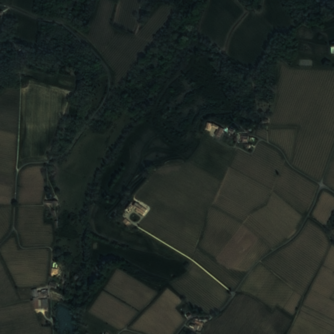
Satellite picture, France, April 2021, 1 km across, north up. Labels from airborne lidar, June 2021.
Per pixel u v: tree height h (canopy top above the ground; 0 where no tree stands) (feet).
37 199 0
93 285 73
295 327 0
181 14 87
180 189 0
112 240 0
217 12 0
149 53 75
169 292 0
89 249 60
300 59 0
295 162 0
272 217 0
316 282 0
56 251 35
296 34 22
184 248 0
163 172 0
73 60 28
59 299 0
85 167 0
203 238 0
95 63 35
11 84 54
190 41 99
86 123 87
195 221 0
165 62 72
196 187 0
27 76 22
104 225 0
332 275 0
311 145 0
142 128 0
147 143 0
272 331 0
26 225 0
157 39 67
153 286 0
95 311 0
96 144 0
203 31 0
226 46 0
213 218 0
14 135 0
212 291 0
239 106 28
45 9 44
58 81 0
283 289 0
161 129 0
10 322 0
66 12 41
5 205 0
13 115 0
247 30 0
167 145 0
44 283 0
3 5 0
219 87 35
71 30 0
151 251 0
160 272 0
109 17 0
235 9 0
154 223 0
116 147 52
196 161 0
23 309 0
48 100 0
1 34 71
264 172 0
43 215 0
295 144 0
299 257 0
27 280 0
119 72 0
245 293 0
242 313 0
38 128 0
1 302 0
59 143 53
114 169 0
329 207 0
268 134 0
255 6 56
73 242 0
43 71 21
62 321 0
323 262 0
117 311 0
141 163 0
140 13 20
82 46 50
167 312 0
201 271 0
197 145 0
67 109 0
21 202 0
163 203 0
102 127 52
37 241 0
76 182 0
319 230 0
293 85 0
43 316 0
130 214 0
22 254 0
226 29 0
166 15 0
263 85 55
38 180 0
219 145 0
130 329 0
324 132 0
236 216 0
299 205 0
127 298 0
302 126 0
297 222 0
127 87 32
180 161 0
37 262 0
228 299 0
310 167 0
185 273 0
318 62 0
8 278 0
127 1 0
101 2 0
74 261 33
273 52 69
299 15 43
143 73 66
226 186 0
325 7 110
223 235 0
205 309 0
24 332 0
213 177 0
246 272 0
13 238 0
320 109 0
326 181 0
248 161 0
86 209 48
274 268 0
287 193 0
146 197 0
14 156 0
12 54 65
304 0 29
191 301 0
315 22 83
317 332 0
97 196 65
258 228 0
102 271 59
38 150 0
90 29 37
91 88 56
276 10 0
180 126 18
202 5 67
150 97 55
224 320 0
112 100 48
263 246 0
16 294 0
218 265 0
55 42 44
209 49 53
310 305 0
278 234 0
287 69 0
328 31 0
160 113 0
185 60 57
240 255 0
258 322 0
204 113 22
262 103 24
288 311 0
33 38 0
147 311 0
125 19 0
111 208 0
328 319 0
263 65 55
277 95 0
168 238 0
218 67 60
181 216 0
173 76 28
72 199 0
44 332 0
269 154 0
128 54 0
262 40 0
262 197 0
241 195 0
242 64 46
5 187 0
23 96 0
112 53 0
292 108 0
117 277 0
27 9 0
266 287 0
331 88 0
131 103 95
